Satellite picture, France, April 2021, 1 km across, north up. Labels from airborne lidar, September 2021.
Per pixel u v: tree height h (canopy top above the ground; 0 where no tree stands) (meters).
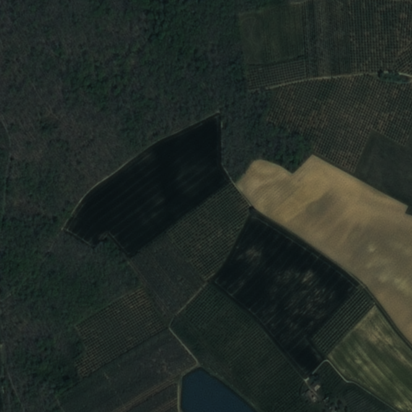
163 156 0
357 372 0
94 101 22
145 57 26
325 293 0
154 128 24
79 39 19
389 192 0
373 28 6
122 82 20
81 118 14
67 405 9
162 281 8
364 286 0
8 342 13
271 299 0
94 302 20
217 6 30
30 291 20
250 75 5
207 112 20
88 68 20
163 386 6
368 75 6
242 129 19
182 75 19
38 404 20
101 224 0
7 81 11
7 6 18
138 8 19
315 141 5
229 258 0
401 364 0
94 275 20
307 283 0
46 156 21
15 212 14
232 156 15
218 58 14
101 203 0
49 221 13
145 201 0
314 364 0
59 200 19
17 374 17
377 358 0
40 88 18
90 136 15
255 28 0
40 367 27
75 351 8
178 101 11
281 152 23
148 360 8
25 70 23
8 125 15
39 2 19
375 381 0
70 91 21
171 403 6
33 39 19
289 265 0
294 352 0
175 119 12
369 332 0
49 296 20
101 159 19
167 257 8
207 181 0
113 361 7
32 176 19
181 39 22
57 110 13
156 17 25
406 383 0
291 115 5
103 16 14
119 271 16
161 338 9
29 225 12
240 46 10
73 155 16
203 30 23
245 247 0
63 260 20
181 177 0
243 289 0
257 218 0
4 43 15
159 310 7
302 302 0
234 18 20
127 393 9
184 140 0
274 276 0
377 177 0
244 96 13
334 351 0
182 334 7
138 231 0
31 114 18
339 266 0
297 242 0
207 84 20
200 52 20
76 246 16
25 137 19
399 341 0
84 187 16
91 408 8
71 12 21
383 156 0
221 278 0
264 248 0
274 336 0
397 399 0
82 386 7
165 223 0
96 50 20
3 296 16
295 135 16
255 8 19
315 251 0
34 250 20
